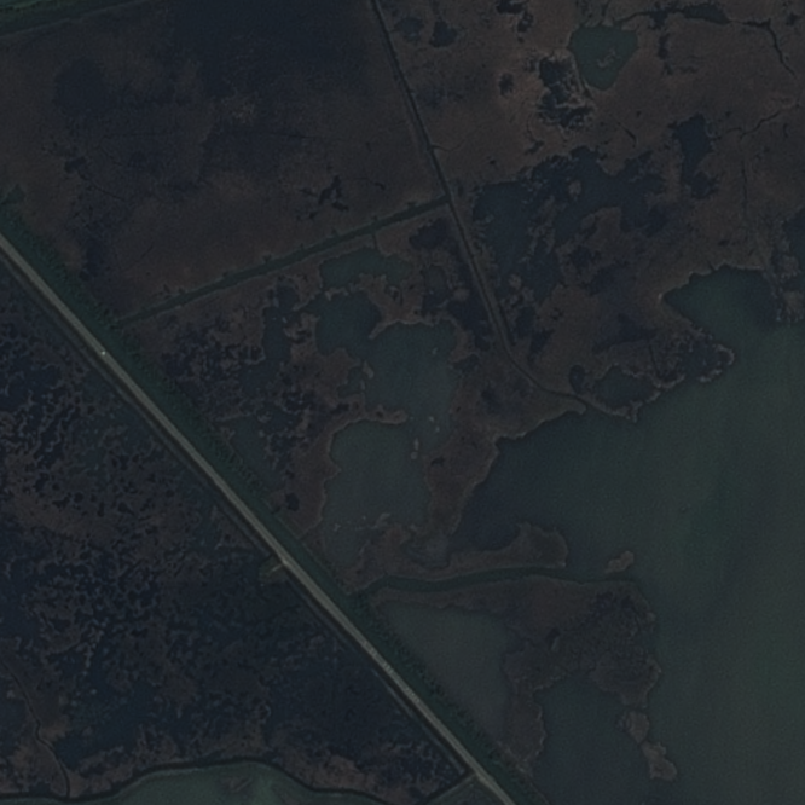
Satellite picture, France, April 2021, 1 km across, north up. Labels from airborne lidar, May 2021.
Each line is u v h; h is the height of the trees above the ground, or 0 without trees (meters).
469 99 0
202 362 0
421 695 0
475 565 0
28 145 0
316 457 0
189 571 0
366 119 0
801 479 0
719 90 0
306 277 0
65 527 0
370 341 0
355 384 0
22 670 0
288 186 0
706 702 0
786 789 0
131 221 0
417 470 0
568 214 0
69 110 0
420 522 0
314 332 0
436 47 0
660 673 0
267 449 0
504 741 0
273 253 0
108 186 0
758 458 0
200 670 0
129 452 0
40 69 0
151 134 0
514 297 0
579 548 0
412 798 0
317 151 0
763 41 0
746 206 0
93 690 0
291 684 0
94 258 0
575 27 0
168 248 0
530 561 0
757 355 0
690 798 0
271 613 0
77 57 0
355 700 0
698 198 0
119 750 0
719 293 0
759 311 0
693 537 0
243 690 0
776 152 0
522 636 0
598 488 0
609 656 0
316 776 0
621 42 0
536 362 0
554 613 0
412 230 0
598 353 0
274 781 0
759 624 0
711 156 0
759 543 0
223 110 0
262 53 0
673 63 0
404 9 0
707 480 0
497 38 0
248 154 0
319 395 0
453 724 0
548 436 0
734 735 0
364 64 0
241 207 0
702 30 0
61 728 0
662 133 0
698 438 0
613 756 0
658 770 0
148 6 0
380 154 0
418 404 0
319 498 0
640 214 0
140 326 0
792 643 0
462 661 0
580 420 0
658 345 0
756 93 0
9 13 8
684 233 0
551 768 0
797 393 0
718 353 0
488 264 0
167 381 7
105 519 0
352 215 0
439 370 0
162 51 0
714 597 0
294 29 0
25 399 0
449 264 0
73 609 0
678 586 0
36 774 0
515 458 0
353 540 0
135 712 0
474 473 0
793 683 0
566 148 0
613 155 0
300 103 0
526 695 0
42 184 0
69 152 0
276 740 0
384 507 0
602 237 0
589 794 0
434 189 0
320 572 0
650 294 0
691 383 0
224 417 0
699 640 0
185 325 0
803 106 0
